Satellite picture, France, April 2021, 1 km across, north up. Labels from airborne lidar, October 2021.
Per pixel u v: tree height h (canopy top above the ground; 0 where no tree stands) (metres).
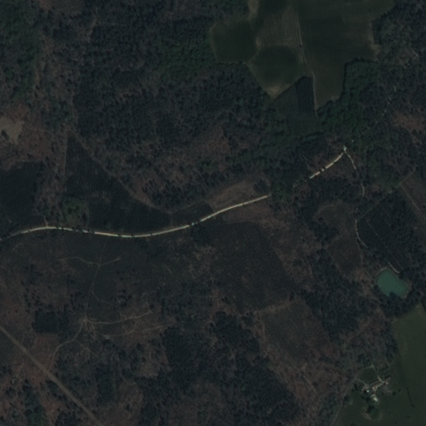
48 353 0
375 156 19
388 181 15
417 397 0
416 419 0
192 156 8
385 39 9
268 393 18
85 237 8
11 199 5
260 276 7
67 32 19
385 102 23
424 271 18
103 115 7
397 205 12
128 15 15
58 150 12
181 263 7
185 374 9
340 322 15
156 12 19
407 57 14
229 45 0
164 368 18
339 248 7
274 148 16
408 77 18
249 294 8
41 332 12
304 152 15
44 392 18
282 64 0
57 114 15
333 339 19
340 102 12
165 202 26
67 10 0
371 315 12
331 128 19
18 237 9
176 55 11
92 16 16
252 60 0
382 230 12
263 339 17
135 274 20
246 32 0
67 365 14
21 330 0
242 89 8
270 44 0
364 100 24
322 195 13
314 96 10
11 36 21
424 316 0
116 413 0
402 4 13
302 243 7
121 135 21
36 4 12
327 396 17
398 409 0
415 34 22
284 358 18
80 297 12
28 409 19
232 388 9
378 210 8
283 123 11
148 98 24
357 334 6
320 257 20
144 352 19
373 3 0
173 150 10
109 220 6
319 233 15
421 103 23
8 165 7
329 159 9
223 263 7
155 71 14
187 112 8
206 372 24
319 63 0
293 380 13
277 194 14
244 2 14
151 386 8
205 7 11
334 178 7
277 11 0
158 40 20
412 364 0
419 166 18
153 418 18
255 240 7
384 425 0
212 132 6
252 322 21
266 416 24
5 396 6
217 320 12
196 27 20
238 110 8
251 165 11
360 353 17
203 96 13
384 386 0
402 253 7
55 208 11
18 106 8
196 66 11
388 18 15
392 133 19
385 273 0
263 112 18
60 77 7
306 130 19
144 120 21
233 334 17
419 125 8
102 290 0
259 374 17
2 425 11
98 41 14
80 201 18
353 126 21
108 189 5
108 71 13
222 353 10
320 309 19
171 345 11
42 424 24
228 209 0
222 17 16
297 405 9
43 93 13
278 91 0
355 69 20
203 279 11
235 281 6
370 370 0
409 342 0
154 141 18
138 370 16
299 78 0
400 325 0
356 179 22
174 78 10
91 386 20
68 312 8
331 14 0
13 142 7
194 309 21
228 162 17
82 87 13
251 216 0
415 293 16
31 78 25
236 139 6
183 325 21
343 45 0
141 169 15
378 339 22
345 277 14
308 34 0
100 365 8
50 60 12
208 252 6
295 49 0
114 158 11
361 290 15
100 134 14
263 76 0
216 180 17
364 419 0
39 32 21
